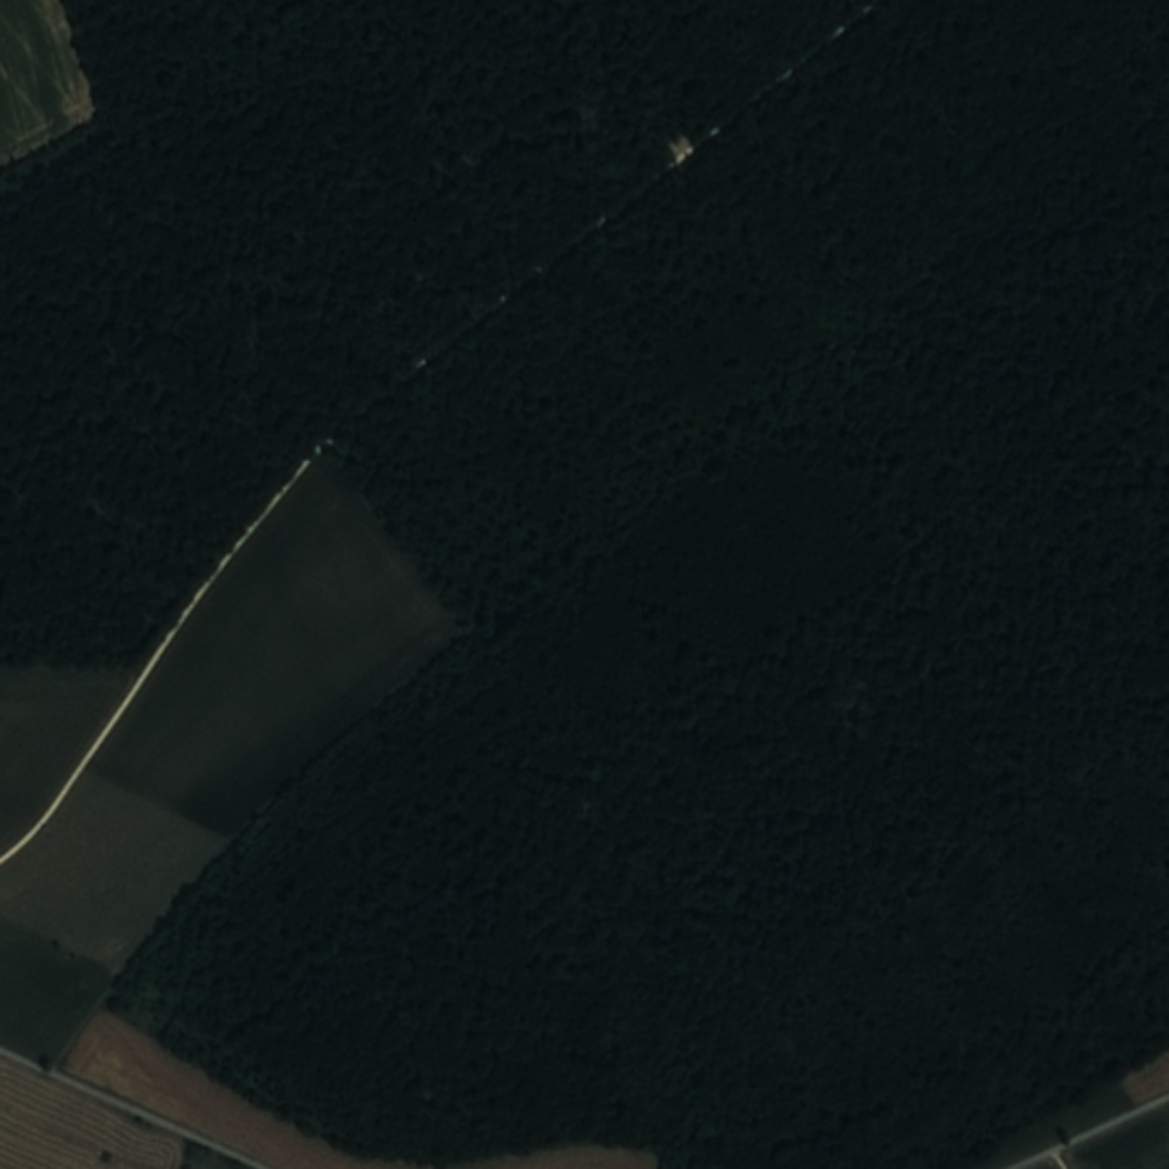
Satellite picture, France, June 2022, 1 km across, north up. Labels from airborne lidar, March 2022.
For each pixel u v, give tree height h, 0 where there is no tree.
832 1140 18
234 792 0
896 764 19
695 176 17
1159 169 22
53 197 24
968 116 16
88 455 19
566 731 14
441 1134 13
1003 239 16
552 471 17
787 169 22
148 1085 0
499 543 7
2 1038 0
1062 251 18
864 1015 7
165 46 19
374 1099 16
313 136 22
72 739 0
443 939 18
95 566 16
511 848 17
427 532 15
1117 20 15
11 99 0
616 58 20
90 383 18
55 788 0
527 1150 13
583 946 19
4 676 0
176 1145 0
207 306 18
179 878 0
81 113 0
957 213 15
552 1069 21
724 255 17
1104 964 17
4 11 0
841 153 16
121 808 0
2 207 13
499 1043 17
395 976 20
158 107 20
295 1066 17
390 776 12
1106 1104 0
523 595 21
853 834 24
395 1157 9
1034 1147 0
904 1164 18
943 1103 19
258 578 0
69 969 0
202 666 0
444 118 20
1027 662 16
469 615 6
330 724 0
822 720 17
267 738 0
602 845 19
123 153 23
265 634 0
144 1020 0
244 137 21
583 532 9
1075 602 22
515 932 15
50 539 19
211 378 19
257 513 18
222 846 0
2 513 16
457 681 17
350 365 20
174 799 0
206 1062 7
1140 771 12
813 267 17
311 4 16
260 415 16
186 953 11
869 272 16
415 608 0
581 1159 0
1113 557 19
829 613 21
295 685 0
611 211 0
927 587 21
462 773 19
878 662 16
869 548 7
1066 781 14
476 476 16
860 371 13
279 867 14
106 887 0
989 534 21
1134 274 19
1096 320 20
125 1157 0
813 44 15
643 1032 21
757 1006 16
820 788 16
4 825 0
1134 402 23
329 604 0
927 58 22
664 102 17
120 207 22
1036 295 20
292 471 14
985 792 19
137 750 0
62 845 0
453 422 13
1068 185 21
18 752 0
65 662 14
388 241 22
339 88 17
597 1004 23
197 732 0
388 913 17
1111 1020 19
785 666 20
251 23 18
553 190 17
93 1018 0
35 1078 0
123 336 21
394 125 22
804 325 8
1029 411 20
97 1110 0
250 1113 0
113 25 21
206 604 0
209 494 19
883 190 17
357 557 0
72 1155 0
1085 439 19
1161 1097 0
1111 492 23
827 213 16
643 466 15
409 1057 14
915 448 14
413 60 19
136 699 0
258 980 17
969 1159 22
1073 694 19
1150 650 17
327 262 16
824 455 7
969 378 22
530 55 21
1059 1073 24
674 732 21
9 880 0
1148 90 22
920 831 18
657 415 17
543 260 15
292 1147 0
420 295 19
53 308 19
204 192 16
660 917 20
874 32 17
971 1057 14
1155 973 21
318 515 0
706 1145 13
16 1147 0
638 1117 23
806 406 11
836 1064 8
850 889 16
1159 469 23
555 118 23
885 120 17
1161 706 13
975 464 18
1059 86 15
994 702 20
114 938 0
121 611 17
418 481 17
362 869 11
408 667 0
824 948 12
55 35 0
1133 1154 0
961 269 20
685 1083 11
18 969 0
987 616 23
